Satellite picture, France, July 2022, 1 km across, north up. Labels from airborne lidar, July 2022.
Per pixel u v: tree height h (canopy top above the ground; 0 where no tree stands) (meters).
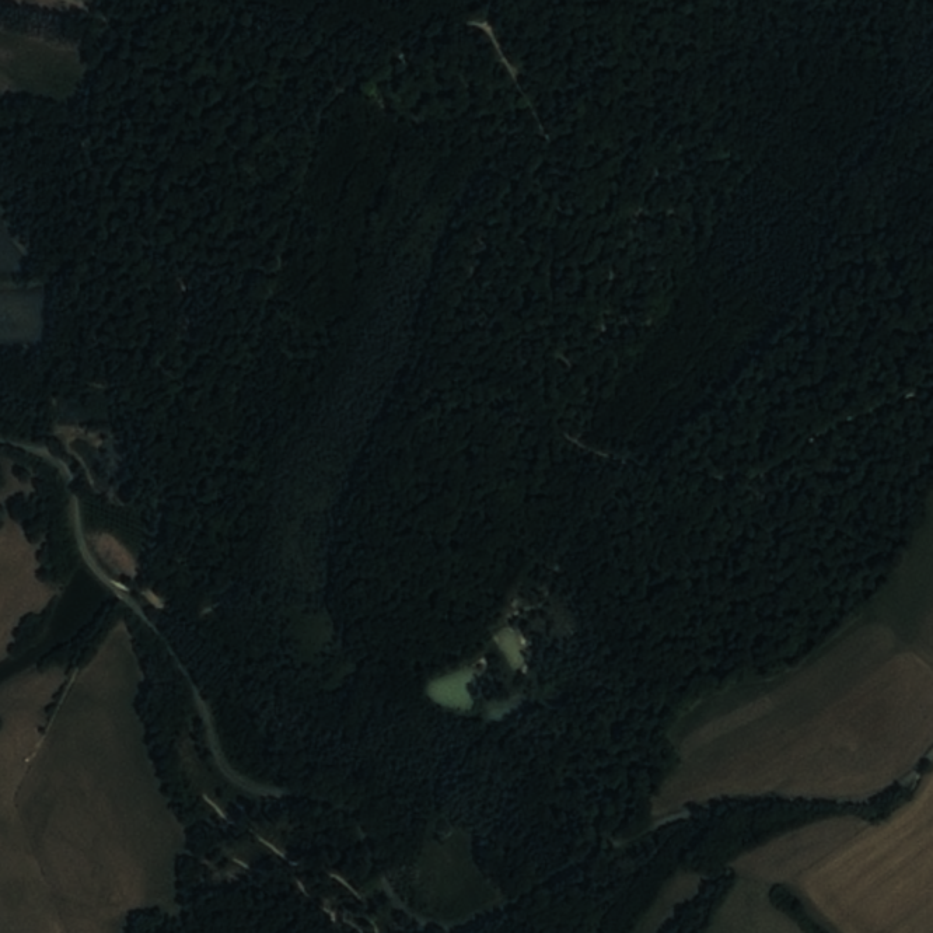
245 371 24
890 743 0
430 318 25
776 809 20
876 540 26
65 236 26
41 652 0
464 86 30
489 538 30
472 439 27
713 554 28
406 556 30
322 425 13
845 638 0
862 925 0
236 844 30
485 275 25
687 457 25
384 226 12
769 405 25
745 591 29
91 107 25
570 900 27
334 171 10
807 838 0
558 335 23
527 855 26
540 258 26
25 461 9
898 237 31
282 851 0
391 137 9
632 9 31
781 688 0
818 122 17
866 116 13
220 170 25
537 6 13
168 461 23
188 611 20
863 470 27
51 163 19
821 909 0
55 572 11
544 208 26
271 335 20
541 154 24
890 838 0
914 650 0
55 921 0
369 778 26
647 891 15
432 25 23
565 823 22
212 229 26
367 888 31
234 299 32
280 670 15
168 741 27
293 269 9
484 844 32
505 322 29
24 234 26
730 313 7
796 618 31
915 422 29
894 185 30
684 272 23
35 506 10
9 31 28
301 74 25
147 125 19
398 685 26
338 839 31
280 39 26
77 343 12
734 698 0
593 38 27
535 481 28
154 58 28
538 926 28
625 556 22
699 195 24
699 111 24
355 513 22
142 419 24
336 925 29
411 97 30
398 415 23
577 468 16
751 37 22
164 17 28
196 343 18
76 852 0
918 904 0
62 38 29
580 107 28
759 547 32
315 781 34
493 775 26
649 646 26
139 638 16
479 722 15
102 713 0
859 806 12
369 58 25
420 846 27
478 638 19
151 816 0
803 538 33
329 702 19
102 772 0
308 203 13
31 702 0
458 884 0
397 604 23
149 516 21
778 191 17
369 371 15
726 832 31
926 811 0
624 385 11
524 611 11
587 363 27
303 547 8
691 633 27
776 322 7
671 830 10
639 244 23
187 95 26
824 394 27
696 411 9
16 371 24
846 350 32
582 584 13
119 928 0
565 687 12
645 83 26
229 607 17
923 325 30
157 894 0
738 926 0
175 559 24
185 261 26
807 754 0
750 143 26
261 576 12
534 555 20
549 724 22
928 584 0
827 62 29
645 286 26
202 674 23
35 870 0
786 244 18
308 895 8
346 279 11
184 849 0
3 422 23
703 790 0
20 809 0
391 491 23
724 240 14
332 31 13
